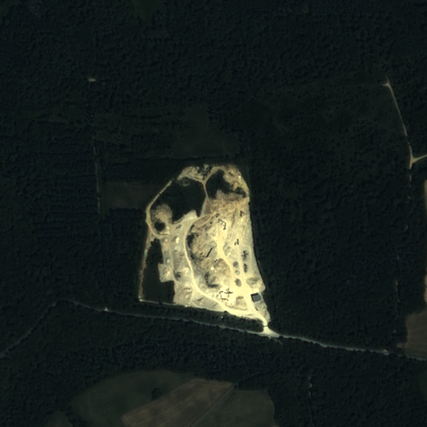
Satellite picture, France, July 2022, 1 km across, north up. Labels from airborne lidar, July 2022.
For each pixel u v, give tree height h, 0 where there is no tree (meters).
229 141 0
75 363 19
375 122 8
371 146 22
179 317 15
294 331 16
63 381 21
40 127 21
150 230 0
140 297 0
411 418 26
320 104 7
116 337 14
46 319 14
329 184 21
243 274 0
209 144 0
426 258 20
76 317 19
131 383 0
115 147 19
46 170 17
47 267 23
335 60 18
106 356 16
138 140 9
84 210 23
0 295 24
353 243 21
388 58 26
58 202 24
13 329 17
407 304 23
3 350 16
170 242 0
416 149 24
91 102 26
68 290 24
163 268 0
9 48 22
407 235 20
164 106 14
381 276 23
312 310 23
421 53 19
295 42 24
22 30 21
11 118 24
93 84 17
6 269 21
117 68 26
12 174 26
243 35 25
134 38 16
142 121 6
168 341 19
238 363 25
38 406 20
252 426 0
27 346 18
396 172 21
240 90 17
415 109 13
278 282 16
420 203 21
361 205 22
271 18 21
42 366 27
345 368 23
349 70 19
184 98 19
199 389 0
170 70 20
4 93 18
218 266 0
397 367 20
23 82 22
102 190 0
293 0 10
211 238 0
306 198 20
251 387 13
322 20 11
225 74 25
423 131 14
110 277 18
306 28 26
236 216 0
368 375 20
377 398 23
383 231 24
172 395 0
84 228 24
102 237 22
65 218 18
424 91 20
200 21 22
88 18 24
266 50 20
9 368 16
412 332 0
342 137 6
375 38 26
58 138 14
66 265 25
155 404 0
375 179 19
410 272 19
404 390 19
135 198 0
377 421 20
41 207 18
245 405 0
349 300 17
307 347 15
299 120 9
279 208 26
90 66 18
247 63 25
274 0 11
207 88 21
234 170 0
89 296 18
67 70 14
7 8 0
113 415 0
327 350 11
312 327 20
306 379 17
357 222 21
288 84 17
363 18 20
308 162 7
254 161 10
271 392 11
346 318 18
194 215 0
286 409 17
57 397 20
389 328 20
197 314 20
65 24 16
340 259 20
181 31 20
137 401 0
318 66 23
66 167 26
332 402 19
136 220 22
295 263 21
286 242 19
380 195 17
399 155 8
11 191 21
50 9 19
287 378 16
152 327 18
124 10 18
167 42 19
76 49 17
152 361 18
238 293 0
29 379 23
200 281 0
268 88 23
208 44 8
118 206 0
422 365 14
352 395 17
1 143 11
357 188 7
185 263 0
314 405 27
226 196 0
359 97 17
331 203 24
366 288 18
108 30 17
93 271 19
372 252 23
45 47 20
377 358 27
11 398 11
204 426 0
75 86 12
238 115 6
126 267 18
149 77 21
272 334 0
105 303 19
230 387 0
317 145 8
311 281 23
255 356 22
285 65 21
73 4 14
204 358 22
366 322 22
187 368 19
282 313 17
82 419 11
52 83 15
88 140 20
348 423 20
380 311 21
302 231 23
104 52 20
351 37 18
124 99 28
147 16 0
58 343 19
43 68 12
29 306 19
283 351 17
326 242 17
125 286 26
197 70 19
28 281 19
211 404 0
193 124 0
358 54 20
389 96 0
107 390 0
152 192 0
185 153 0
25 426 22
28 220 21
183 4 25
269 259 17
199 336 23
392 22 23
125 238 18
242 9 16
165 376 0
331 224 25
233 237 0
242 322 13
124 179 25
